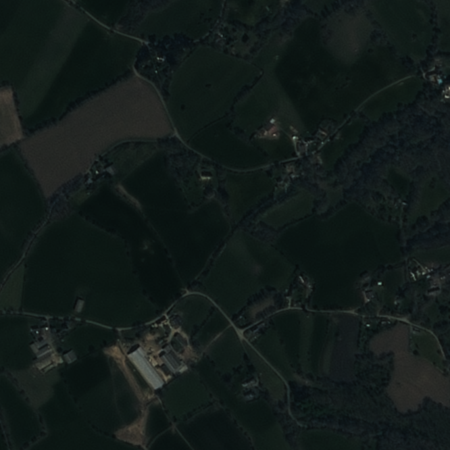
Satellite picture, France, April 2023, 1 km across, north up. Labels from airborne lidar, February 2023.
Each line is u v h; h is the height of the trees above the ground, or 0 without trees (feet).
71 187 56
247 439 28
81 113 0
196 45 43
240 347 0
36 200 0
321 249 0
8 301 0
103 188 0
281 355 0
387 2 0
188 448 0
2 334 0
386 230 0
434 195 0
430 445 66
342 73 0
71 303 0
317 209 64
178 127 0
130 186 0
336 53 0
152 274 0
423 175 49
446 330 45
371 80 0
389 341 0
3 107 0
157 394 54
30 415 0
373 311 30
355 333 0
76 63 0
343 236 0
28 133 41
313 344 0
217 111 0
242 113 0
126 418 0
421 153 54
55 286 0
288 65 0
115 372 0
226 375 0
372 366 36
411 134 63
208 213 0
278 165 45
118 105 0
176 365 0
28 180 0
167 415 37
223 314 0
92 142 0
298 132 0
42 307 0
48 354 0
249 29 25
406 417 41
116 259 0
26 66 0
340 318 0
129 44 0
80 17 0
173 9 0
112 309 0
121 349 0
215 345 0
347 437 65
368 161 58
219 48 48
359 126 0
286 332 0
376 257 0
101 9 0
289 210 0
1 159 0
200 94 0
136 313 0
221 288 0
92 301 0
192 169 22
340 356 0
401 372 0
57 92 0
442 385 0
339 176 82
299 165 38
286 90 0
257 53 37
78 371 0
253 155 0
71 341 0
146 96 0
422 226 65
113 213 0
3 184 0
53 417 0
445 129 56
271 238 36
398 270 0
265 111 0
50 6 0
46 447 0
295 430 28
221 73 0
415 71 41
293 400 66
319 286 0
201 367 0
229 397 0
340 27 0
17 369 0
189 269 0
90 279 0
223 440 0
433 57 38
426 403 47
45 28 0
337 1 0
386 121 73
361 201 54
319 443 0
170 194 0
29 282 0
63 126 0
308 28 0
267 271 0
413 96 0
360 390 50
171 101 0
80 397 0
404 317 27
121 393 0
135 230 0
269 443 0
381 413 60
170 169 46
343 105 0
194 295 0
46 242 0
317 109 0
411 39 0
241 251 0
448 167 40
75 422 0
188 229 0
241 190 0
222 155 0
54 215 32
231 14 0
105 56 0
